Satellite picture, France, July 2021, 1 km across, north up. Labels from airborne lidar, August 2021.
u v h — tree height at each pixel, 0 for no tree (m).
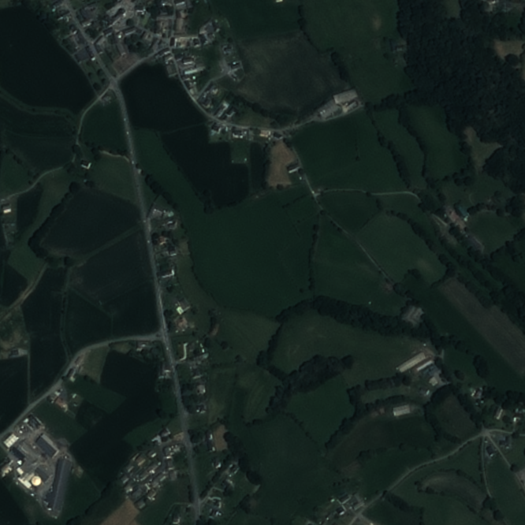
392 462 0
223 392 0
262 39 0
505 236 0
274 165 0
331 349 0
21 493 0
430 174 15
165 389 7
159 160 0
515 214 20
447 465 0
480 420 19
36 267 0
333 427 0
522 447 0
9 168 0
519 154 20
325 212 9
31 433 0
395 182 0
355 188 0
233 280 0
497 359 0
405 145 0
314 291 15
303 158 0
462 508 0
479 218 0
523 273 0
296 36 0
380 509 0
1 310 0
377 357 0
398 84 0
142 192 0
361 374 0
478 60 24
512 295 18
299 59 0
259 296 0
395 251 0
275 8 0
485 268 13
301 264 0
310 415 0
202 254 0
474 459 0
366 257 0
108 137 0
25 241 0
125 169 0
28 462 0
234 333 0
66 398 0
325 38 0
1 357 0
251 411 0
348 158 0
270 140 0
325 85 0
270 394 0
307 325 0
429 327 17
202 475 0
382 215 0
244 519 0
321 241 0
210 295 6
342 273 0
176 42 0
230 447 10
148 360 9
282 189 15
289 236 0
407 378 14
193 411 15
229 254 0
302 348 0
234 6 0
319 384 11
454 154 0
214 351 0
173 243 7
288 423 0
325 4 0
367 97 0
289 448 0
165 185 0
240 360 15
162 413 26
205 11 0
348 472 0
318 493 0
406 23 23
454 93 25
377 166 0
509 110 19
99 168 0
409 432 0
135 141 0
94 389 0
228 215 0
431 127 0
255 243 0
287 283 0
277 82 0
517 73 18
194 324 0
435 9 21
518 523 0
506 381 0
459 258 11
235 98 6
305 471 0
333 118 0
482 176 0
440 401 22
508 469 0
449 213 0
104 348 0
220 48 0
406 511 17
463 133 10
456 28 28
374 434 0
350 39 0
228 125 0
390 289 0
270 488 0
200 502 0
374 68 0
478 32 21
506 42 16
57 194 0
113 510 0
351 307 21
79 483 0
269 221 0
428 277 0
